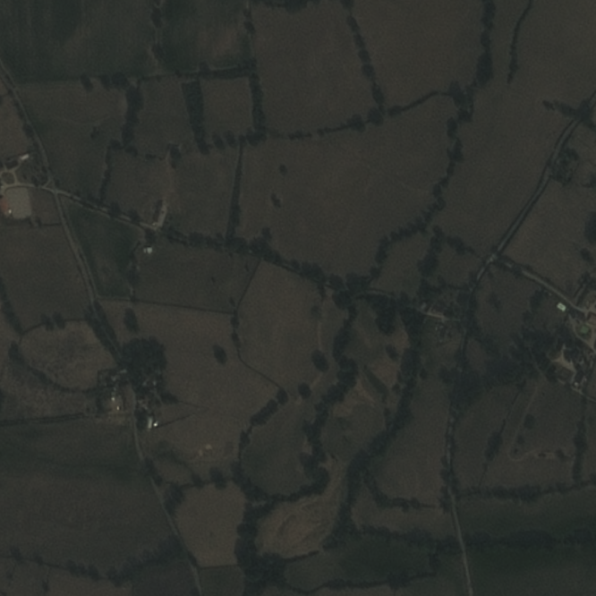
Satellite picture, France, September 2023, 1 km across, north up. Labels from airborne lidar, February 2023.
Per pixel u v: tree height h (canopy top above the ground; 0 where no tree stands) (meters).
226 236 6
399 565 0
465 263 0
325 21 0
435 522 0
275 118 0
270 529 0
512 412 0
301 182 0
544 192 0
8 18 0
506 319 0
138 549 0
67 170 0
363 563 0
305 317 0
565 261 0
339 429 0
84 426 0
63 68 0
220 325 0
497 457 0
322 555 0
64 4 0
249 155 0
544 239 0
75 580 0
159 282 0
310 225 0
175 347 0
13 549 0
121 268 0
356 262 0
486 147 0
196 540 0
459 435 0
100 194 8
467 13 0
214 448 0
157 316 0
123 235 0
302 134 9
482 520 0
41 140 0
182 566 0
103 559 0
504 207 0
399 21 0
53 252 0
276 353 0
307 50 0
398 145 0
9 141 0
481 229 0
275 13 0
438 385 0
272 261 6
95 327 14
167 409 0
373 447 10
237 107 0
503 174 0
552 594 0
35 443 0
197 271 0
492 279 0
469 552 0
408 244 0
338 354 11
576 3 0
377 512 0
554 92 0
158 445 0
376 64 0
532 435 0
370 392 0
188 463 0
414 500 9
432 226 0
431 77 0
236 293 0
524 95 0
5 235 0
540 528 0
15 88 0
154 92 0
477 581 0
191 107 14
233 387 0
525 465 0
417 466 0
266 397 0
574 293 0
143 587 0
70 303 0
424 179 0
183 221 0
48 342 0
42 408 0
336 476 0
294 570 0
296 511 0
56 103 0
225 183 0
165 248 0
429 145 0
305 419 0
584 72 0
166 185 0
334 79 0
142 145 0
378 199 0
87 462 0
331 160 0
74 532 0
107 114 0
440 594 0
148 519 0
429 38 0
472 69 0
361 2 0
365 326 0
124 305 0
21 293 0
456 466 0
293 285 0
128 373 21
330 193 0
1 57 0
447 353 0
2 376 0
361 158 0
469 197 0
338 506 0
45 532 0
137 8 0
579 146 0
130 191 0
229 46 0
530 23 0
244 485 21
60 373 0
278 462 0
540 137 0
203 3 0
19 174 0
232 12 0
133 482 0
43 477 0
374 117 16
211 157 0
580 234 0
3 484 0
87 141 0
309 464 23
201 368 0
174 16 0
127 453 0
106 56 0
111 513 0
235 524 0
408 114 0
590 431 0
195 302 0
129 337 0
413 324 20
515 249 0
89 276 0
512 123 0
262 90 13
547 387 0
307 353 0
